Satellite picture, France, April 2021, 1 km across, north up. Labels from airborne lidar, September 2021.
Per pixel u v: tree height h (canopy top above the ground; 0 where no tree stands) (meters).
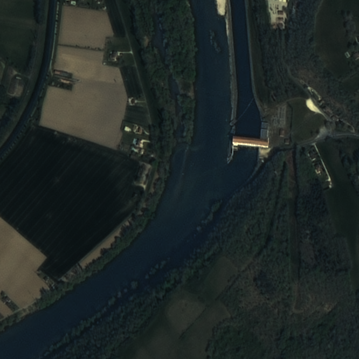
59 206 0
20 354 0
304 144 0
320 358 19
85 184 0
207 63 0
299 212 25
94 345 18
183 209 0
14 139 0
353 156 0
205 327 0
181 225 0
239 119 0
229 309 14
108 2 0
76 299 0
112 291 0
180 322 0
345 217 0
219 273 0
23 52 0
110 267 0
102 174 0
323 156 0
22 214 0
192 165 0
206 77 0
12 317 10
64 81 0
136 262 0
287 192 18
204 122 0
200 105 0
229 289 6
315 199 26
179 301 0
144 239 0
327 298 15
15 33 0
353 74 8
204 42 0
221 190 0
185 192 0
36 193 0
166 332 0
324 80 17
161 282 26
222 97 0
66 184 0
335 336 24
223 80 0
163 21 27
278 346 19
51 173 0
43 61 0
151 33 8
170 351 0
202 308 0
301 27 18
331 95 18
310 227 24
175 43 26
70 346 24
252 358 9
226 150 0
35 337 0
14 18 0
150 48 13
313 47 12
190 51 29
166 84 9
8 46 0
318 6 18
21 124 0
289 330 25
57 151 0
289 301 19
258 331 11
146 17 10
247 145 0
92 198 0
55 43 0
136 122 0
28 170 0
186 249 16
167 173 24
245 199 15
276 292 16
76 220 0
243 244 18
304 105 0
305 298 13
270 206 19
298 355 17
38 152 0
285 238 20
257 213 20
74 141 0
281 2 0
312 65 14
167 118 20
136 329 11
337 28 0
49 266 0
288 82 36
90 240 0
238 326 21
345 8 0
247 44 0
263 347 16
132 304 21
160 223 0
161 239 0
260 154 0
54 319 0
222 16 0
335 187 0
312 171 27
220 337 10
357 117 15
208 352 15
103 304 0
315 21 13
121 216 0
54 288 0
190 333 0
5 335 0
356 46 12
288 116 0
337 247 22
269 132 0
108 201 0
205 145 0
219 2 0
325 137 0
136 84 0
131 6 36
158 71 10
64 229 0
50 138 0
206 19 0
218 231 18
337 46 0
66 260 0
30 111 0
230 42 0
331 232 24
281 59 38
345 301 19
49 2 0
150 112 0
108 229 0
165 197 0
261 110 0
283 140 0
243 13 0
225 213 18
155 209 8
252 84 0
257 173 0
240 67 0
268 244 14
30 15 0
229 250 15
